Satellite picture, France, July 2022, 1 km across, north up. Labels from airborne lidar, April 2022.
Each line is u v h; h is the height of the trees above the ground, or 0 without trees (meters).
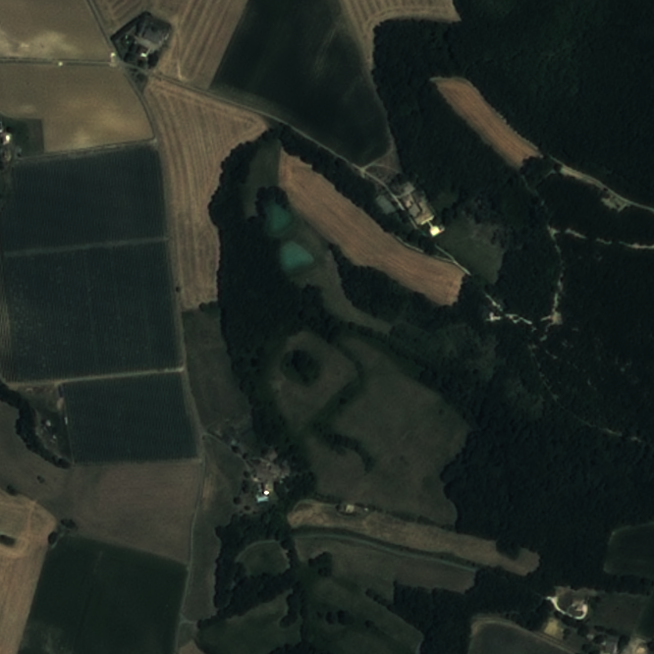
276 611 0
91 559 0
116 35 10
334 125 0
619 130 16
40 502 0
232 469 0
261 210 27
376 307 16
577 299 8
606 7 7
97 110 0
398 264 0
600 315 8
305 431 0
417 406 0
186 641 0
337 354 0
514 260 19
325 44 0
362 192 16
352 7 0
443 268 0
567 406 8
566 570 11
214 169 0
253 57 0
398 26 21
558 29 7
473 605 20
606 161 15
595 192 7
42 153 0
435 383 9
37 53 0
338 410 0
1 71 0
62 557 0
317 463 0
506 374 14
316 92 0
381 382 0
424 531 0
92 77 0
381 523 0
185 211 0
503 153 0
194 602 0
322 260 0
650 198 11
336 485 0
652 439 19
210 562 0
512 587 18
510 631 0
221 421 0
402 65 22
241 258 20
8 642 0
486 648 0
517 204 7
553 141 16
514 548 12
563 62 11
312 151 16
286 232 0
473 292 17
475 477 24
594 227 8
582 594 0
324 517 0
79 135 0
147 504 0
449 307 12
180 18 0
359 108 0
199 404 0
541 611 14
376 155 0
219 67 0
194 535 0
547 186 10
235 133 0
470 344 8
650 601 0
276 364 0
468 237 0
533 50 7
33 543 0
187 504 0
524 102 10
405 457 0
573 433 12
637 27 20
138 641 0
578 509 18
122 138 0
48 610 0
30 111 0
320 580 0
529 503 22
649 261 6
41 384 0
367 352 0
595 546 16
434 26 9
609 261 8
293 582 21
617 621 0
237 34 0
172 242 0
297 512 0
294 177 0
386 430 0
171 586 0
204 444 0
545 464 23
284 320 22
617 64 15
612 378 6
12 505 0
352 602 0
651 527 0
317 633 0
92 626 0
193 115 0
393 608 13
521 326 8
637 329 5
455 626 19
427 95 25
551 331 6
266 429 19
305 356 23
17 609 0
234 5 0
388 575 0
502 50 9
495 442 26
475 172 25
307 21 0
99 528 0
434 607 15
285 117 0
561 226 8
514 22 6
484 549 0
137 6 0
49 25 0
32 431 8
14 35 0
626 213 9
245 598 18
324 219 0
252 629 0
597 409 6
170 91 0
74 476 0
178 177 0
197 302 0
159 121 0
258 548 0
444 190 25
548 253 20
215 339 0
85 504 0
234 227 20
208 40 0
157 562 0
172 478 0
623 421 6
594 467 24
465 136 18
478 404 18
